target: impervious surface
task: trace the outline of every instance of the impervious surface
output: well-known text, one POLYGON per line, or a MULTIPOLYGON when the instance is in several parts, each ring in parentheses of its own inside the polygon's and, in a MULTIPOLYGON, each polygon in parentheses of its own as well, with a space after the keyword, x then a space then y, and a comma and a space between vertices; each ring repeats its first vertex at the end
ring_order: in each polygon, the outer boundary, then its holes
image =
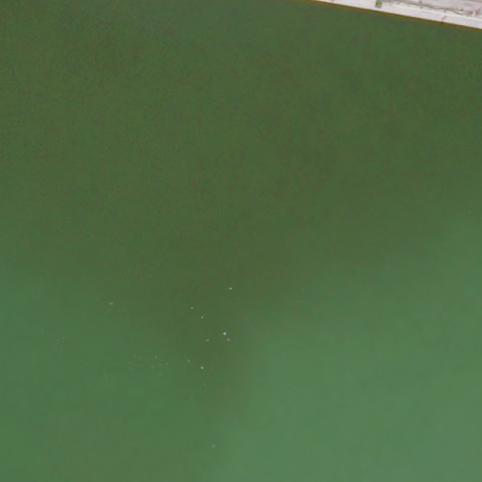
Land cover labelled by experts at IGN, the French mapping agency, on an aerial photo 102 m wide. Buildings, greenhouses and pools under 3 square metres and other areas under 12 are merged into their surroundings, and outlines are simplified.
POLYGON ((482 28, 482 0, 318 0, 328 4, 384 11, 439 23, 482 28))

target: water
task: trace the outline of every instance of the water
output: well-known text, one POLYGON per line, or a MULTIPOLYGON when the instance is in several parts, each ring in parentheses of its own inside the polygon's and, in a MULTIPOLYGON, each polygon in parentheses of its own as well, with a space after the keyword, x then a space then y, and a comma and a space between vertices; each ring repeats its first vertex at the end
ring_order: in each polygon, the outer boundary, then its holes
POLYGON ((482 28, 439 23, 384 11, 328 4, 318 0, 0 0, 0 482, 482 482, 482 28))

